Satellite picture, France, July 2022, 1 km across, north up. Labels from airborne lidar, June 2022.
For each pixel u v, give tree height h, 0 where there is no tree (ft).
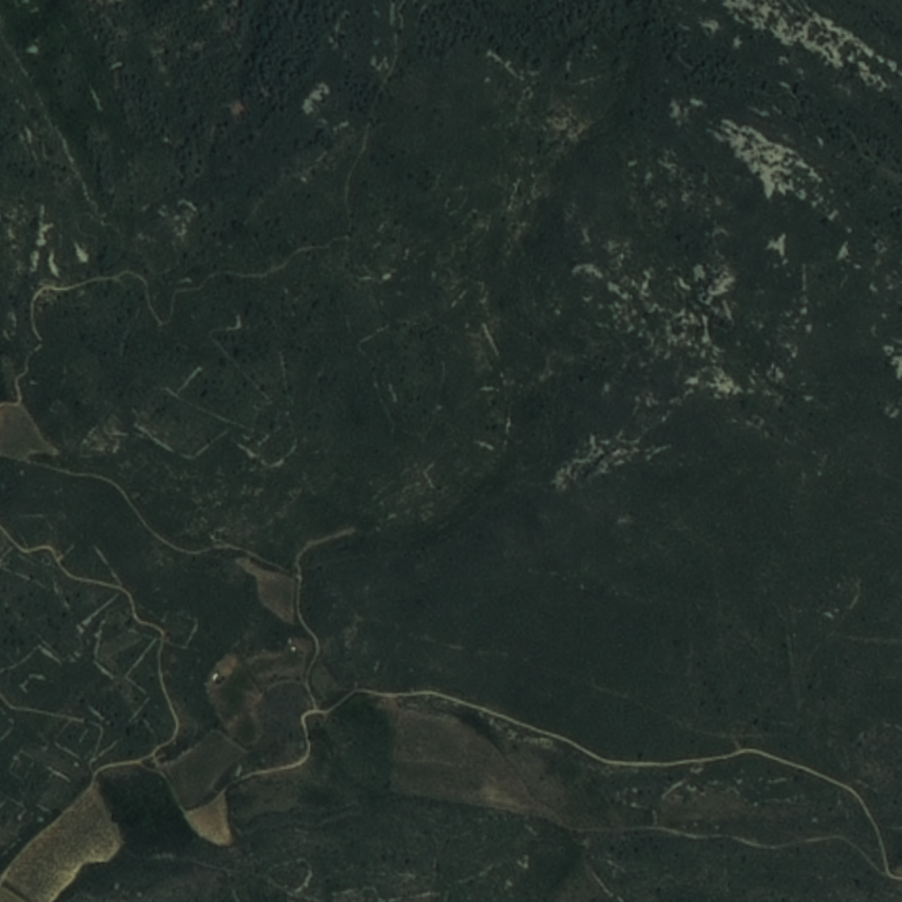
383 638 0
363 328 0
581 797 0
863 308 0
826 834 0
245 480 0
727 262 0
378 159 25
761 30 0
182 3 38
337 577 0
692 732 0
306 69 31
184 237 0
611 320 0
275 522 0
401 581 0
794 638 0
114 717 23
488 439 0
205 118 28
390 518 0
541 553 0
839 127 30
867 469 0
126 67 33
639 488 0
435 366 19
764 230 0
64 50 21
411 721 0
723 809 0
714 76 23
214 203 20
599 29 38
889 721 0
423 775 0
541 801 0
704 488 0
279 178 0
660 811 0
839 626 0
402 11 21
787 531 0
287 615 0
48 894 0
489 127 0
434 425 0
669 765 0
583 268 0
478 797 0
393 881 0
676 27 23
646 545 0
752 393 0
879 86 0
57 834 0
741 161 0
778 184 0
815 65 0
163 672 0
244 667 0
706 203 0
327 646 0
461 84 0
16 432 0
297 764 0
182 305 0
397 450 0
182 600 0
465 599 0
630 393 0
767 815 0
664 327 0
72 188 0
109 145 27
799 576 0
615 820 0
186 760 0
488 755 0
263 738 0
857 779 0
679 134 0
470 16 28
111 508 0
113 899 0
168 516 0
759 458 0
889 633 0
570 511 0
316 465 0
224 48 27
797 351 0
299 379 0
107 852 0
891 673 0
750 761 0
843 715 0
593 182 0
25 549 0
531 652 0
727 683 0
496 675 0
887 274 0
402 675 0
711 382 0
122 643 0
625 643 0
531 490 0
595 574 0
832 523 0
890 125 0
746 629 0
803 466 0
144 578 0
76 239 0
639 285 0
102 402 0
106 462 0
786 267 0
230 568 0
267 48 30
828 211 0
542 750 0
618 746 0
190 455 0
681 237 31
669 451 0
